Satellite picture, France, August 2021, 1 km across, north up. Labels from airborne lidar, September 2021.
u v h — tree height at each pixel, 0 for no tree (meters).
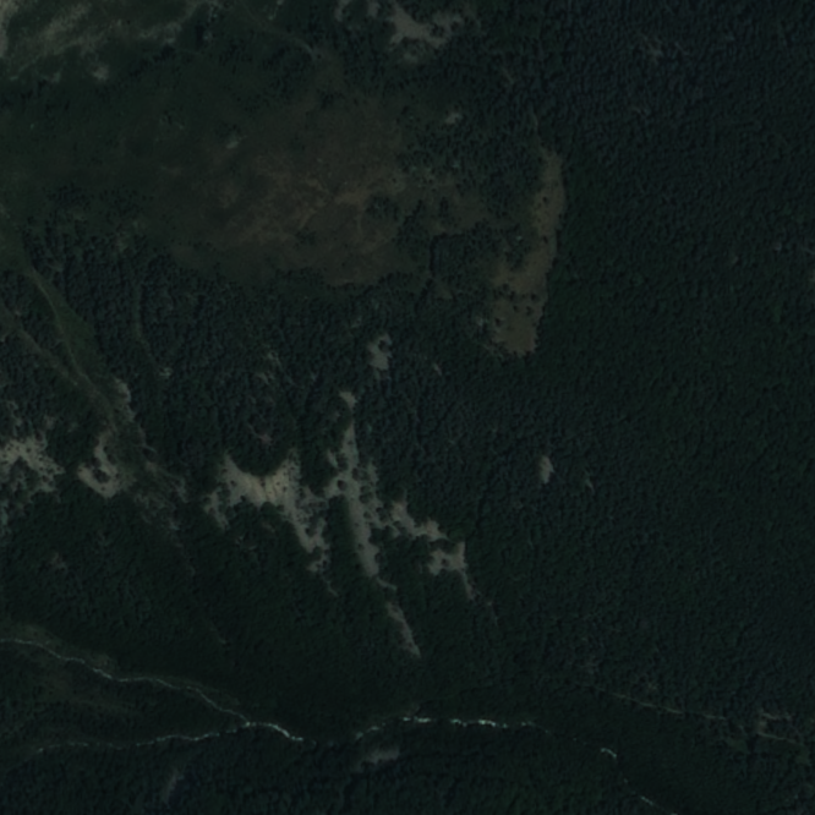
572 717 16
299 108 0
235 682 14
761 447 22
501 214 10
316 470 10
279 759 16
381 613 19
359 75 6
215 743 10
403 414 23
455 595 18
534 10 14
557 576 17
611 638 23
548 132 15
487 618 9
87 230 8
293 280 11
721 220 20
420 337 12
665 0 26
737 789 14
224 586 19
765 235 23
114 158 0
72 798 13
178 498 15
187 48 0
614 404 21
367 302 12
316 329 18
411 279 9
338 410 12
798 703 20
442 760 18
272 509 16
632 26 25
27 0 0
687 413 24
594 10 22
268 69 7
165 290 16
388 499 14
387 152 0
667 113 22
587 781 18
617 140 22
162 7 0
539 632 28
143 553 12
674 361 20
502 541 21
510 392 21
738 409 26
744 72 23
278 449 20
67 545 24
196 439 24
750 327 27
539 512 8
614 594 27
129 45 0
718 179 17
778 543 20
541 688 24
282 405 16
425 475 29
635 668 21
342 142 0
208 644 14
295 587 9
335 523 21
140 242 11
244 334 19
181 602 17
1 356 25
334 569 17
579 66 23
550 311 12
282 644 22
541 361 16
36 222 9
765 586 22
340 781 14
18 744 12
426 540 12
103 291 19
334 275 0
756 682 25
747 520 22
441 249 15
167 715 10
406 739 9
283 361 14
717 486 17
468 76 8
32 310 14
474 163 5
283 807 26
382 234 0
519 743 14
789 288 20
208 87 0
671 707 24
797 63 29
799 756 11
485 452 22
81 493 19
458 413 23
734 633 23
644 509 22
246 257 0
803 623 24
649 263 18
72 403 14
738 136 22
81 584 18
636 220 16
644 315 19
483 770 13
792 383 16
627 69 30
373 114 0
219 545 12
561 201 0
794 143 23
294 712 12
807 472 17
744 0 28
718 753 17
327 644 18
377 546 14
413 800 27
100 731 9
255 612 25
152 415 17
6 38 0
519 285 0
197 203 0
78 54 0
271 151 0
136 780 8
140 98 0
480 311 15
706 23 30
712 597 20
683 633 26
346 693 20
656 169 23
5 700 14
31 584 22
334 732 11
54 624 17
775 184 26
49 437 9
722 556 26
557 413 23
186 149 0
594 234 19
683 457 18
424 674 23
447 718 10
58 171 0
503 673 21
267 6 0
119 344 27
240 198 0
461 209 0
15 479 6
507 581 19
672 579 19
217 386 21
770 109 27
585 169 14
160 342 25
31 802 8
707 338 21
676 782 14
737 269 20
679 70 23
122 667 10
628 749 11
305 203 0
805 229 19
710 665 17
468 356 17
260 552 17
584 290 28
